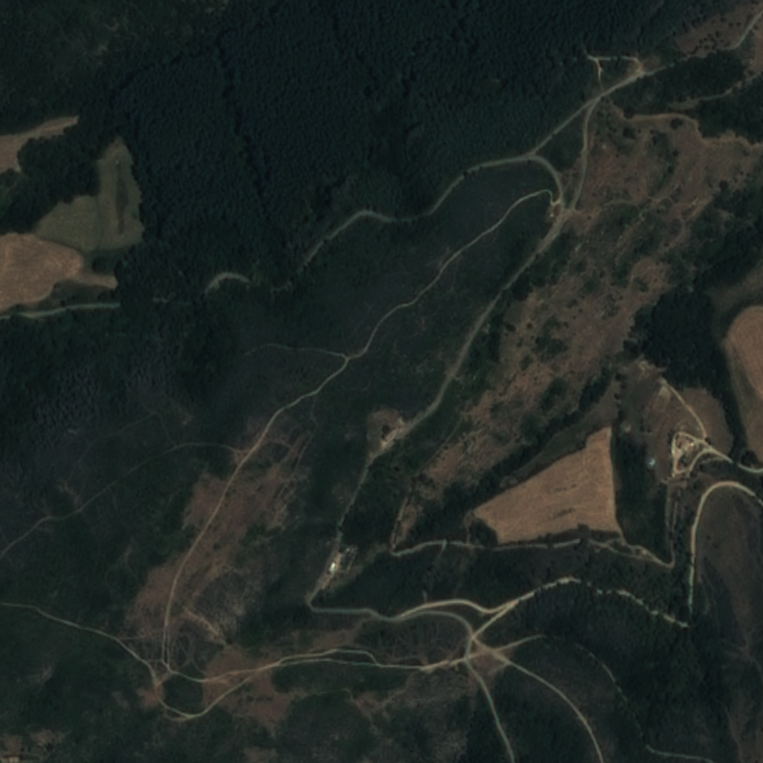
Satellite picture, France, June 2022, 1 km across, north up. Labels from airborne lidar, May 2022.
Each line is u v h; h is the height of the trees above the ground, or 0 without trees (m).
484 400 0
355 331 0
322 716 0
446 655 0
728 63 8
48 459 0
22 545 0
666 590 8
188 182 26
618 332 0
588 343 0
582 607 10
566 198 0
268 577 0
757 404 0
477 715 9
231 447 0
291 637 0
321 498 9
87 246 0
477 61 29
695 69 10
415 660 0
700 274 11
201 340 17
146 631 0
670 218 0
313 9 30
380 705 0
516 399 0
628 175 0
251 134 30
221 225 13
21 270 0
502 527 0
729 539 0
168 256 17
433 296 0
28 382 14
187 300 14
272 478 0
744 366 0
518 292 12
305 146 27
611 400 0
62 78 8
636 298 0
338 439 0
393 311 0
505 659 0
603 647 12
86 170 20
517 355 0
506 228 0
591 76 6
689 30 11
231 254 6
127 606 0
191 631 0
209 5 11
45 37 6
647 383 0
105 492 0
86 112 13
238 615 0
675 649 10
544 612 11
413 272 0
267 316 5
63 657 0
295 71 27
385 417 0
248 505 0
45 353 14
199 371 11
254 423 0
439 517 12
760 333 0
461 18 28
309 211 16
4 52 14
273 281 17
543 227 0
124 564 0
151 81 31
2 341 8
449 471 0
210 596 0
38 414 8
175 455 0
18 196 7
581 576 7
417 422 0
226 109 21
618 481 0
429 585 8
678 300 15
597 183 0
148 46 6
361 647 0
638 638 10
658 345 19
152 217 18
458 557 0
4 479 6
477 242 0
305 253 16
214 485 0
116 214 0
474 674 0
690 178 0
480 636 0
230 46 32
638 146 0
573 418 10
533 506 0
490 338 11
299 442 0
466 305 0
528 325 6
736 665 0
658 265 0
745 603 0
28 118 17
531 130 7
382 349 0
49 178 13
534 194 0
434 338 0
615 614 12
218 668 0
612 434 0
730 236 11
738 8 0
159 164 24
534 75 28
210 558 0
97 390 9
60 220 0
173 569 0
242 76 29
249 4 18
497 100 10
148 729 0
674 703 8
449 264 0
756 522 0
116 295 16
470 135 12
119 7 7
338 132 25
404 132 5
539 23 25
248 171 10
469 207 0
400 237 10
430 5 30
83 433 0
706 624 6
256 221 27
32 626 0
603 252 0
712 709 10
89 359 9
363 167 27
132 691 0
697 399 0
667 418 0
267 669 0
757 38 0
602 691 0
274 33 31
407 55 24
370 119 21
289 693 0
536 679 0
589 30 27
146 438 0
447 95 10
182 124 26
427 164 8
